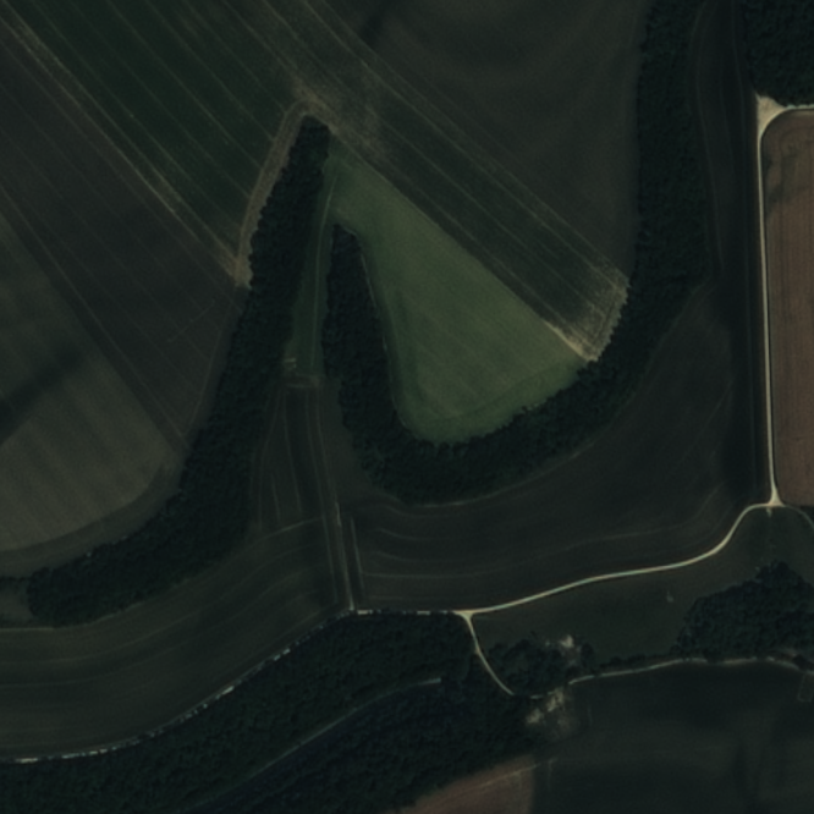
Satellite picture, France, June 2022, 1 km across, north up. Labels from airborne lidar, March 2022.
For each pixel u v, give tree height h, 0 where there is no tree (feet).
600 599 0
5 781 71
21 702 0
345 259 70
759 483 0
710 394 0
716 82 0
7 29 0
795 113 0
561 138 0
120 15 0
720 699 0
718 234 0
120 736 0
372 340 59
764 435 0
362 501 0
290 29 0
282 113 0
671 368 0
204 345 0
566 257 0
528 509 0
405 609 0
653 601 0
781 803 0
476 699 98
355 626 73
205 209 0
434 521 0
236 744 46
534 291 0
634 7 0
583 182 0
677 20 62
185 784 94
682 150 60
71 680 0
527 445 52
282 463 0
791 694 0
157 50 0
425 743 85
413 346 0
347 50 0
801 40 30
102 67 0
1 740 0
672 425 0
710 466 0
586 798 0
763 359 0
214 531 62
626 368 65
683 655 48
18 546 0
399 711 37
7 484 0
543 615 0
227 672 0
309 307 0
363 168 0
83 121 0
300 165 41
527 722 0
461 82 0
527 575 0
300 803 80
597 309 0
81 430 0
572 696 0
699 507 0
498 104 0
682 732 0
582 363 0
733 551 0
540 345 0
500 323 0
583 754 0
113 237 0
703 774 0
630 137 0
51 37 0
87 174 0
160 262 0
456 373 0
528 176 0
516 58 0
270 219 65
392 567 0
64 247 0
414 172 0
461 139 0
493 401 0
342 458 0
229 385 37
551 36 0
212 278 0
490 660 21
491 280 0
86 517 0
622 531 0
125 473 0
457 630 67
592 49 0
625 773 0
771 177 0
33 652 0
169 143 0
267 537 0
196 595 0
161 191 0
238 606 0
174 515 55
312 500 0
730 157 0
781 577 66
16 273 0
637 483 0
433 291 0
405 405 0
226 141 0
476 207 0
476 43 0
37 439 0
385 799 44
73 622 27
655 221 62
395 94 0
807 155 0
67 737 0
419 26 0
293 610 0
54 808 53
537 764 0
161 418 0
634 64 0
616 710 0
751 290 0
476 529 0
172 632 0
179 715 0
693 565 0
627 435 0
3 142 0
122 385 0
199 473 60
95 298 0
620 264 0
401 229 0
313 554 0
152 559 63
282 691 59
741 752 0
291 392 0
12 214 0
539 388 0
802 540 0
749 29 52
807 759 0
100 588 55
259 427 41
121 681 0
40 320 0
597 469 0
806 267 0
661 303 68
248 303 36
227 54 0
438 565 0
